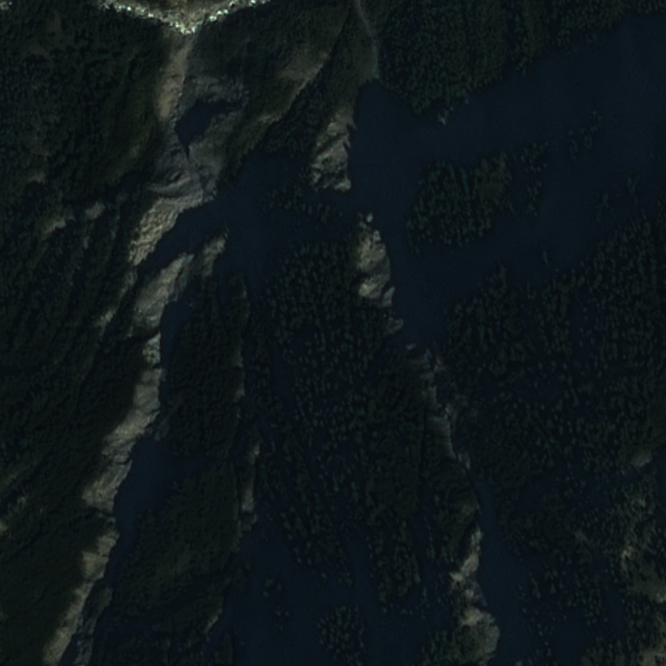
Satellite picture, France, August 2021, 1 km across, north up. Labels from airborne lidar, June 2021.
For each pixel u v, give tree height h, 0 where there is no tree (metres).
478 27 15
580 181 7
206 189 0
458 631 11
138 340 6
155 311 0
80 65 16
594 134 19
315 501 7
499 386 12
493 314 30
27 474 6
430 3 15
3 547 6
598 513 20
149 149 6
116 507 0
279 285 14
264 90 7
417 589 0
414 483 6
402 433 6
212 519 6
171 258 0
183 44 0
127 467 0
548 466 22
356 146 0
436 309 7
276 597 7
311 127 8
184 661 8
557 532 7
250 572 6
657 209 12
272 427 19
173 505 8
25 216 9
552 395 7
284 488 5
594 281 17
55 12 17
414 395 6
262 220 9
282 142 9
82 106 18
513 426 6
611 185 8
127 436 0
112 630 7
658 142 7
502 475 6
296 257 26
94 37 15
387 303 0
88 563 0
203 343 7
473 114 0
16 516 9
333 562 7
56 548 6
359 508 6
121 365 7
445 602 11
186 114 0
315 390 16
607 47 7
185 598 6
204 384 8
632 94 0
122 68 17
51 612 6
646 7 24
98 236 8
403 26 16
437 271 12
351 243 11
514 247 11
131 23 26
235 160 5
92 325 11
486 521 0
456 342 11
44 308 6
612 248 30
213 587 7
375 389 6
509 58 6
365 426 15
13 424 15
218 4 0
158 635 6
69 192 7
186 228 0
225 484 6
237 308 5
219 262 0
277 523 6
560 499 5
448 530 7
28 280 17
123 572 7
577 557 6
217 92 0
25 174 16
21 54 17
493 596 0
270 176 6
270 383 12
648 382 15
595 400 7
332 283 19
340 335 28
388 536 8
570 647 9
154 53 9
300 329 16
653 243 8
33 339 10
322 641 15
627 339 26
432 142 0
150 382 0
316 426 36
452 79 19
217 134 0
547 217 0
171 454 6
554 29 8
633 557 7
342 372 7
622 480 0
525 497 6
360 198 0
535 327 7
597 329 28
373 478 9
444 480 8
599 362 31
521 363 10
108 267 7
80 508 8
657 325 7
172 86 0
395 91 7
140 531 12
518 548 6
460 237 23
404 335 0
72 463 6
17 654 5
